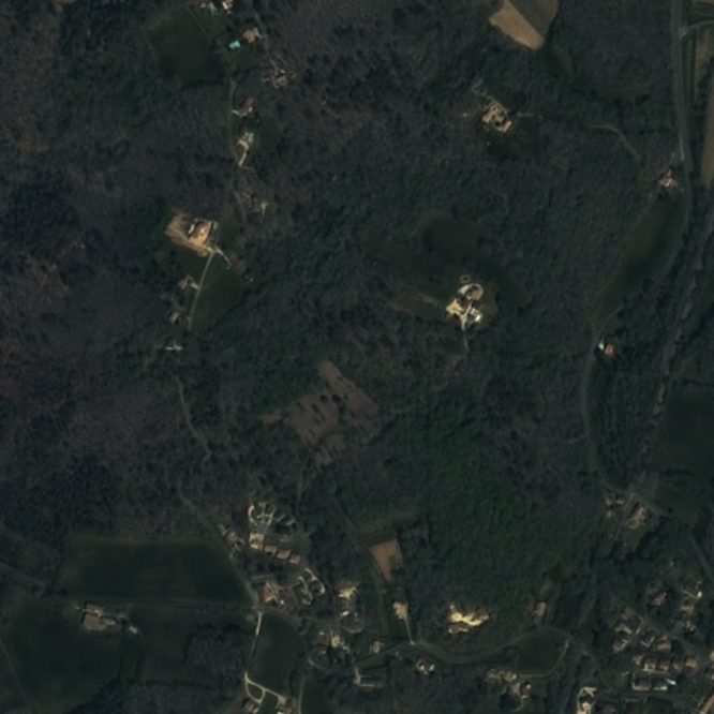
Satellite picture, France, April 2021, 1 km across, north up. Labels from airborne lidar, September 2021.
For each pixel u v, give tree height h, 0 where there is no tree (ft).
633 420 68
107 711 70
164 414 31
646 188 64
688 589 0
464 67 45
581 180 54
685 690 36
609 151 61
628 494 0
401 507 73
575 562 65
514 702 41
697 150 64
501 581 67
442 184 70
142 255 51
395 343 35
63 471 57
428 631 41
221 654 60
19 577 0
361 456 56
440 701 67
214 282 0
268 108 40
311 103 47
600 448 25
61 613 44
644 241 0
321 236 30
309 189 55
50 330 38
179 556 0
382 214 59
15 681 0
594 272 65
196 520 58
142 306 37
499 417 71
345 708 60
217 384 79
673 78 56
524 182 70
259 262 37
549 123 54
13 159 41
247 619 0
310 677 43
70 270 38
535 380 81
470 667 54
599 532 54
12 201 89
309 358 61
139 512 67
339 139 56
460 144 53
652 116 61
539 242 64
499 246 54
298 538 0
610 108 59
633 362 52
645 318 76
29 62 39
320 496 37
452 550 49
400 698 68
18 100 51
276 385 72
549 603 28
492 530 76
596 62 42
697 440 0
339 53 42
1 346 25
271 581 0
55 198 45
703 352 63
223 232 0
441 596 70
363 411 0
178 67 0
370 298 20
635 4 49
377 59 48
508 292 0
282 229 68
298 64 49
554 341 72
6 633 0
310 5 49
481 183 60
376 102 31
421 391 55
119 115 58
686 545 54
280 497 59
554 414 67
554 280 60
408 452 65
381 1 53
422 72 47
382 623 52
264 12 66
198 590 0
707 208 53
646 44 51
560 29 58
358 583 38
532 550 83
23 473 41
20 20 48
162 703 41
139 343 53
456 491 71
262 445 69
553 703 53
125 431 36
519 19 0
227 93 27
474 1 56
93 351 67
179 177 32
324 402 41
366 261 27
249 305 55
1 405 87
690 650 0
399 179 58
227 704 66
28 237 81
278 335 56
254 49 34
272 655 0
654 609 39
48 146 55
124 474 73
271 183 35
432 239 0
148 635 0
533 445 42
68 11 28
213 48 36
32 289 44
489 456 72
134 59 58
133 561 0
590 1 54
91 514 72
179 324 44
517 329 90
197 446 49
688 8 20
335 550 39
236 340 27
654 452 42
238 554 43
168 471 22
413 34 42
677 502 0
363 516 80
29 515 68
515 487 75
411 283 23
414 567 86
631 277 0
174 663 0
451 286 0
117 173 31
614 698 30
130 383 39
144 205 26
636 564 73
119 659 0
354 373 63
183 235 0
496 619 71
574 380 77
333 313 40
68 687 0
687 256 63
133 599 0
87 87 52
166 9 45
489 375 67
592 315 77
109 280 42
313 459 23
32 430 43
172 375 45
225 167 63
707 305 0
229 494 54
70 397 32
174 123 40
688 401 0
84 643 0
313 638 45
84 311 32
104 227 39
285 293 54
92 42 45
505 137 0
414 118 52
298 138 80
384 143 71
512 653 53
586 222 36
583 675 48
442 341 47
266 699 0
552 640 0
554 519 56
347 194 59
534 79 71
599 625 38
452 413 63
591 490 76
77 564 0
